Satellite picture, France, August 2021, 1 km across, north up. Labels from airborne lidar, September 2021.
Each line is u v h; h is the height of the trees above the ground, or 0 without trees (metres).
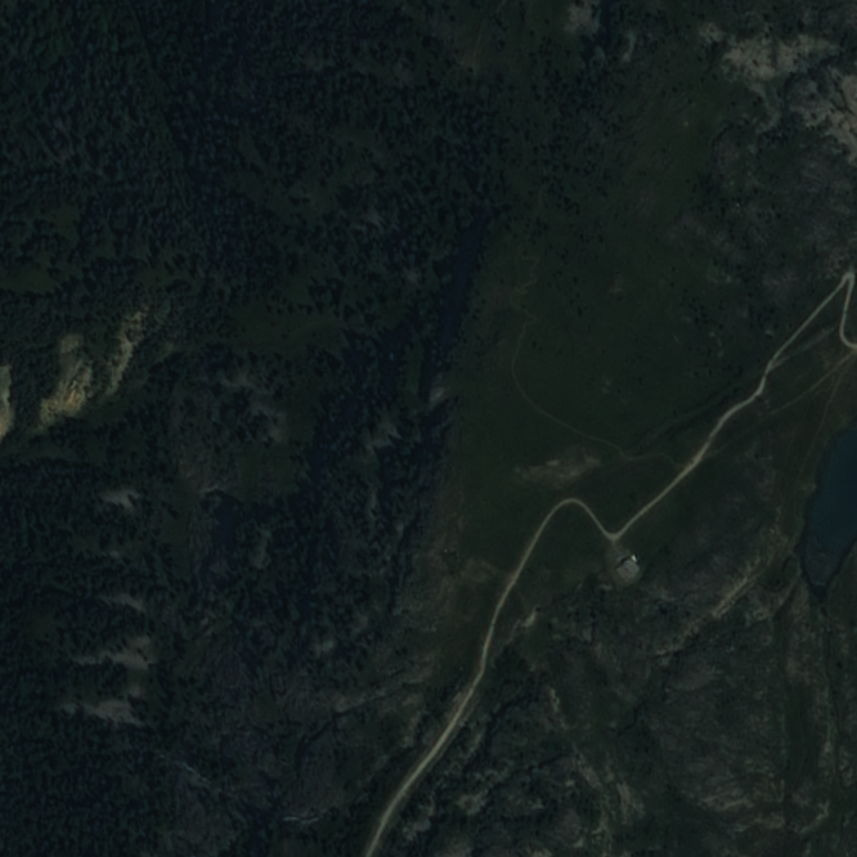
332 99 14
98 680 18
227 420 9
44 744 13
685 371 0
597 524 0
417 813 14
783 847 0
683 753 0
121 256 12
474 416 0
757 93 0
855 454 0
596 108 7
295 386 8
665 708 0
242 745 0
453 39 0
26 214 20
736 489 0
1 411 0
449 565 0
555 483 0
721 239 0
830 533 0
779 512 0
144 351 13
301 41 9
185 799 0
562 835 0
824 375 0
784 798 0
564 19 0
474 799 0
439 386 0
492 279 0
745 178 0
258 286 17
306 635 0
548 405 0
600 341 0
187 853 0
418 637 0
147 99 17
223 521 0
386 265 0
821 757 0
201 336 17
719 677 0
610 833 0
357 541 0
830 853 0
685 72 0
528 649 0
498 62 0
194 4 17
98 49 26
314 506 12
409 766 0
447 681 0
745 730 0
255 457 0
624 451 0
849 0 0
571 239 0
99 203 20
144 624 15
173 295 18
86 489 23
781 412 0
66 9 17
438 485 0
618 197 0
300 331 0
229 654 0
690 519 0
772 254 0
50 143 23
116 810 14
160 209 25
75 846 15
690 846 0
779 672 0
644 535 0
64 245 28
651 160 0
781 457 0
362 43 20
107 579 17
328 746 0
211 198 12
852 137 0
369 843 0
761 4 0
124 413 0
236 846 9
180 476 0
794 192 0
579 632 0
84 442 10
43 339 23
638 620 0
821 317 0
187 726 6
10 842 16
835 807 0
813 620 0
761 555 0
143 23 12
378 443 0
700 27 0
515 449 0
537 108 0
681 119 0
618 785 0
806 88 0
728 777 0
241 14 13
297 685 0
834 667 0
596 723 0
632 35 0
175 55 12
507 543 0
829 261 0
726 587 0
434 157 6
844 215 0
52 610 17
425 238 8
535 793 8
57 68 8
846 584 0
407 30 16
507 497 0
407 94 8
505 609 0
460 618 0
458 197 9
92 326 19
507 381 0
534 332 0
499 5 0
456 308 7
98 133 6
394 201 13
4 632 12
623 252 0
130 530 12
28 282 0
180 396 0
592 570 0
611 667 0
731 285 0
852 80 0
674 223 0
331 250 10
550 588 0
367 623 0
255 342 0
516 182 0
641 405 0
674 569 0
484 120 16
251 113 16
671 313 0
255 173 9
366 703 0
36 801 13
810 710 0
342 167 10
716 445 0
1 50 14
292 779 0
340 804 0
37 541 17
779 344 0
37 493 15
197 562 0
